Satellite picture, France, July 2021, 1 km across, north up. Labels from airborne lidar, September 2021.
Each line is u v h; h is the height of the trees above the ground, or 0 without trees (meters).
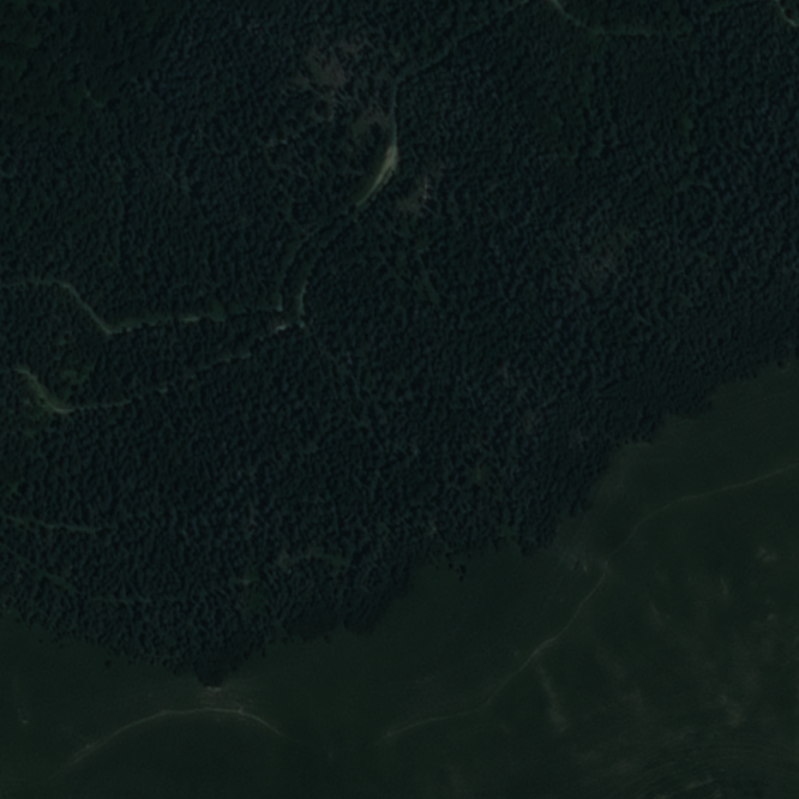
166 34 21
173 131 8
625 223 22
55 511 12
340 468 15
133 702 0
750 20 22
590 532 0
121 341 26
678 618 0
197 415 21
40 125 8
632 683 0
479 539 10
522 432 23
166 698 0
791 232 15
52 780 0
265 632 11
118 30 20
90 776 0
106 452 29
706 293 7
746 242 29
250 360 8
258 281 6
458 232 13
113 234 23
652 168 32
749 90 18
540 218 15
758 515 0
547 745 0
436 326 17
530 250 25
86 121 11
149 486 13
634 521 0
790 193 16
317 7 23
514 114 15
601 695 0
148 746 0
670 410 15
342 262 18
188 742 0
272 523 24
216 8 19
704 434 0
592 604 0
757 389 0
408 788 0
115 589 18
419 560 13
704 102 11
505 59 22
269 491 20
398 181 9
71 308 20
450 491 14
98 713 0
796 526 0
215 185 23
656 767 0
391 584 15
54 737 0
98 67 29
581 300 34
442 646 0
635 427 22
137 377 24
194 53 25
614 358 28
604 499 0
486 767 0
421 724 0
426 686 0
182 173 29
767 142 13
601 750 0
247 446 26
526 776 0
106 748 0
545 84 17
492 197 14
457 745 0
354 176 8
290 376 19
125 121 22
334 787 0
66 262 10
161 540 15
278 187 13
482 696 0
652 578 0
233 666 10
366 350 28
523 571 0
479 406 12
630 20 21
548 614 0
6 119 9
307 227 22
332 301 11
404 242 29
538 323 18
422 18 32
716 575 0
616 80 20
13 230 18
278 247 23
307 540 11
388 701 0
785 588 0
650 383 25
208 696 0
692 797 0
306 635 9
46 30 15
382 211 17
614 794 0
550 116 13
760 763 0
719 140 16
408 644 0
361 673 0
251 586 7
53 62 25
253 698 0
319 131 21
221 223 22
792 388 0
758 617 0
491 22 6
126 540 22
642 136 17
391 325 19
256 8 16
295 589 16
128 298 11
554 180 18
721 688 0
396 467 21
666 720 0
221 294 15
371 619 11
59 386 20
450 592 0
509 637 0
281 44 21
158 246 10
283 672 0
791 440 0
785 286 20
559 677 0
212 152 10
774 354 16
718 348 17
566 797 0
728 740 0
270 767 0
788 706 0
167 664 9
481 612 0
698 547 0
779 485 0
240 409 25
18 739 0
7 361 13
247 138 8
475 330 16
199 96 21
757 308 19
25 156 25
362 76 19
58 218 15
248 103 19
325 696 0
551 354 14
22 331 21
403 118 17
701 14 17
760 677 0
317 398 18
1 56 7
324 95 19
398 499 20
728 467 0
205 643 11
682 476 0
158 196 20
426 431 16
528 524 16
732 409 0
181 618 17
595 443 12
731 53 18
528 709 0
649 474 0
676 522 0
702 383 19
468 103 10
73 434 10
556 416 16
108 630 13
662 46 17
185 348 12
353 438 24
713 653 0
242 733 0
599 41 9
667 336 22
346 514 19
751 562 0
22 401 22
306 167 23
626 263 7
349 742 0
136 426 22
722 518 0
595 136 33
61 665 0
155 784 0
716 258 31
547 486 17
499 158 9
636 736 0
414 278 8
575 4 14
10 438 20
